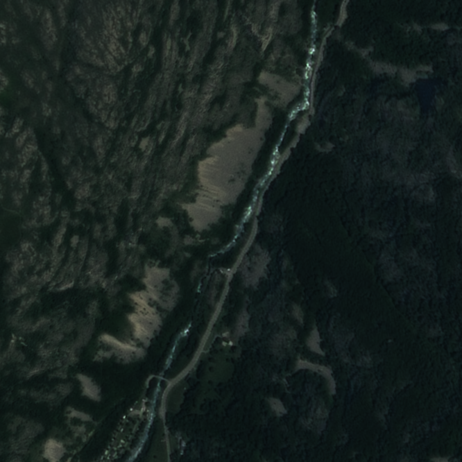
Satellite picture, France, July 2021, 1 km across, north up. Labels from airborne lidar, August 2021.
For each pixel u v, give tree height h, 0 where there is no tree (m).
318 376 12
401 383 6
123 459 12
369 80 9
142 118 7
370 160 8
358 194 9
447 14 7
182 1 11
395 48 12
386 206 15
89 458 9
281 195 8
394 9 13
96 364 14
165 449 0
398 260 11
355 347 13
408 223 12
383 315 21
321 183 7
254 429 15
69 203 10
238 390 15
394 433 17
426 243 7
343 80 7
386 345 17
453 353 11
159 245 7
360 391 7
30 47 0
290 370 15
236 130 0
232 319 8
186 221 7
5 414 9
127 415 11
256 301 7
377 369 17
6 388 8
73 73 0
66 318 8
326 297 11
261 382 8
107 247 9
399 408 19
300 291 9
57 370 6
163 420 0
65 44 0
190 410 14
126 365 8
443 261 16
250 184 9
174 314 11
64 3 0
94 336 8
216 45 9
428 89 12
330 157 18
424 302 15
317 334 0
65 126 0
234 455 10
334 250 18
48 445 0
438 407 6
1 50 0
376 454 13
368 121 10
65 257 7
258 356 11
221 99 10
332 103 7
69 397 14
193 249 7
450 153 0
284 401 17
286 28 14
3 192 0
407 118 0
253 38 6
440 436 18
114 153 7
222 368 0
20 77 0
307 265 22
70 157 0
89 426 7
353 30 10
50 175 7
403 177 0
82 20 0
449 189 15
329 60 6
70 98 0
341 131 8
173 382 0
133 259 9
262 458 9
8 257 0
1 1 0
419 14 14
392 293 19
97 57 0
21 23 0
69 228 9
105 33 0
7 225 0
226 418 16
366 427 21
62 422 9
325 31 0
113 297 8
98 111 0
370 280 21
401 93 6
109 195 9
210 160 0
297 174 12
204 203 0
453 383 9
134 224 6
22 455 7
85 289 12
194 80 12
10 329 9
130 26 0
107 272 7
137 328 0
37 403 8
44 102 0
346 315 16
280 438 12
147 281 0
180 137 7
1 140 0
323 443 14
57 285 6
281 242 13
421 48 13
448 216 13
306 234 16
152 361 15
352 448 22
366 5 6
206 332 0
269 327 7
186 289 9
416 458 8
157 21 6
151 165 7
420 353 20
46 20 0
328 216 19
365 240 17
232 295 7
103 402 9
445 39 10
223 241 7
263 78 0
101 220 8
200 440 8
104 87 0
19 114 7
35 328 13
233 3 7
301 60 8
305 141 8
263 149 7
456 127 5
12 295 0
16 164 0
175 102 7
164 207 6
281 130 13
